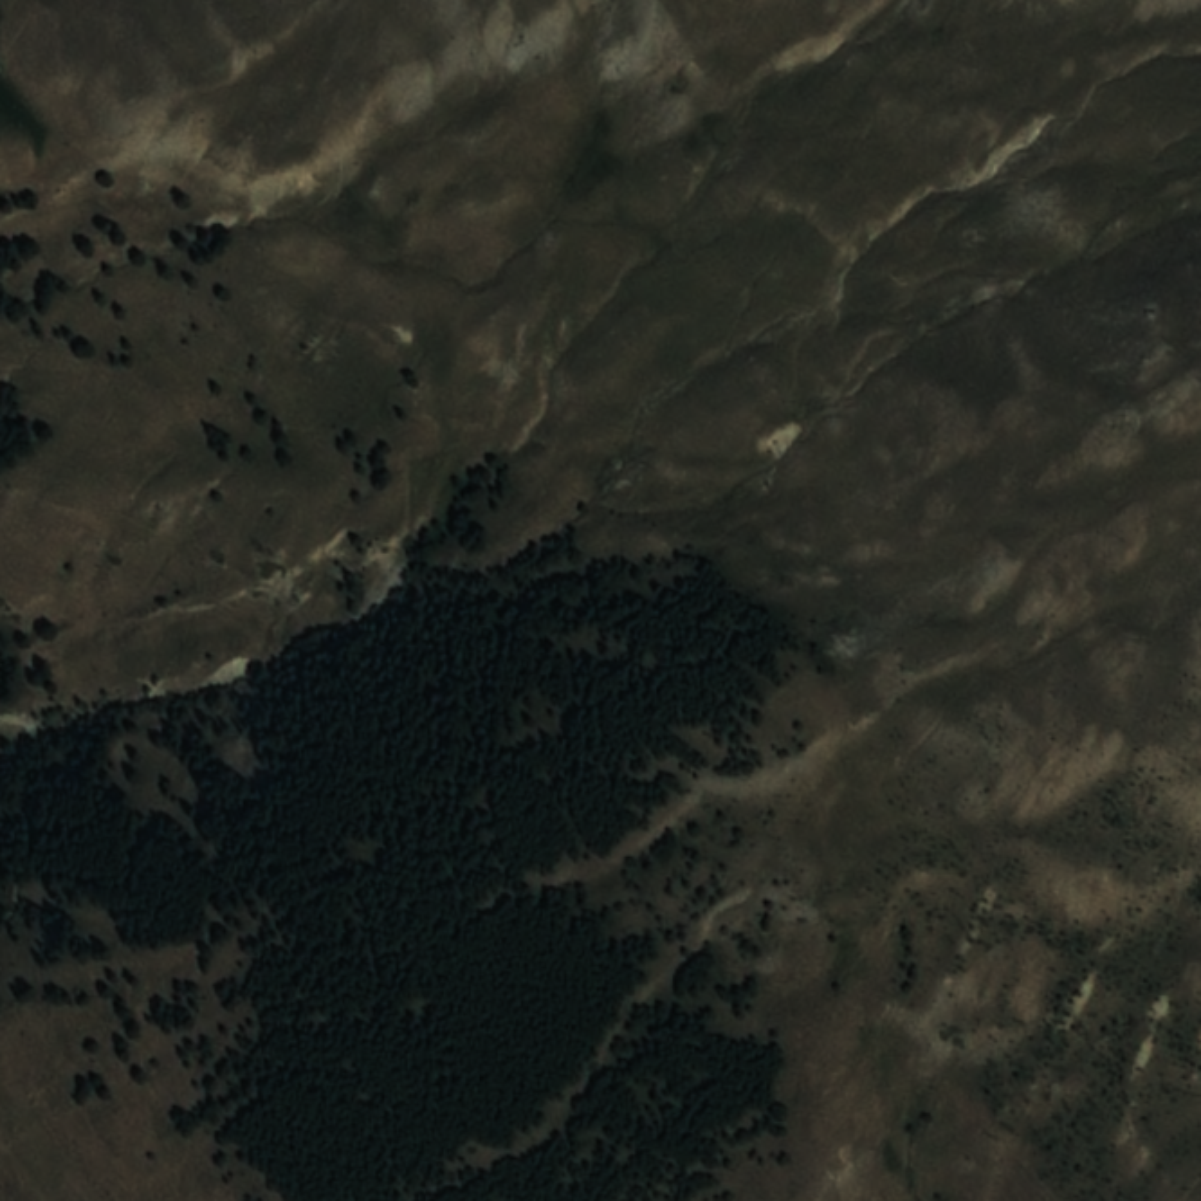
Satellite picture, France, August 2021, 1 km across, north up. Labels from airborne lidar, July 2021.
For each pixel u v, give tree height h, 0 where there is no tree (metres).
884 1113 0
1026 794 0
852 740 0
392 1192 13
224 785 16
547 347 0
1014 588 0
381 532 0
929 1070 0
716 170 0
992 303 0
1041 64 0
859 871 0
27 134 0
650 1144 13
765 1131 11
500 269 0
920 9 0
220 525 0
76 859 26
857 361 0
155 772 0
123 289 0
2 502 0
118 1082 0
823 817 0
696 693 10
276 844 18
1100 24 0
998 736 0
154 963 0
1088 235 0
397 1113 12
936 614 0
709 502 0
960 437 0
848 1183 0
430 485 0
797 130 0
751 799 0
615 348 0
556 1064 16
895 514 0
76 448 0
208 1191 0
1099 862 0
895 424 0
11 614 0
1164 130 0
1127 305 0
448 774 19
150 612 0
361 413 0
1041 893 0
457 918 15
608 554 0
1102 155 0
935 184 0
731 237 0
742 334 0
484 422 0
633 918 0
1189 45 0
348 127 0
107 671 0
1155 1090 0
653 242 0
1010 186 0
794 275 0
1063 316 0
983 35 0
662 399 0
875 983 0
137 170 0
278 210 0
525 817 11
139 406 0
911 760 0
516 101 0
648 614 17
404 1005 16
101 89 0
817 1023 0
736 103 0
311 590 0
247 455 12
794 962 0
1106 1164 0
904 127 0
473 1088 16
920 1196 0
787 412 0
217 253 14
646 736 11
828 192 0
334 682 19
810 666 0
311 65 0
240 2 0
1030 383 0
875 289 0
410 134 0
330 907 18
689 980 16
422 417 0
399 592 12
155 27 0
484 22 0
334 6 0
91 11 0
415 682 18
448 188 0
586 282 0
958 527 0
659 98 0
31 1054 0
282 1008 10
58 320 0
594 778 12
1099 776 0
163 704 15
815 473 0
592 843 9
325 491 0
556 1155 14
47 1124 0
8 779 25
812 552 0
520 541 0
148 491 0
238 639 0
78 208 0
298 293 0
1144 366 0
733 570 0
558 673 16
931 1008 0
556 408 0
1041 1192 0
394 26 0
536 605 15
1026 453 0
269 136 0
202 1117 12
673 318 0
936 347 0
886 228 0
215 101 0
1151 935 0
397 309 0
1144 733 0
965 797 0
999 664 0
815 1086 0
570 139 0
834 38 0
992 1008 0
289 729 11
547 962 18
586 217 0
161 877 22
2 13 0
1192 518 0
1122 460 0
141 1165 0
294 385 0
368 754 18
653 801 10
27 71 0
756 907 0
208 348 0
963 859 0
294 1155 16
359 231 0
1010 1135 0
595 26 0
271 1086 16
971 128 0
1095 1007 0
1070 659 0
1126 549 0
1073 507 0
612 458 0
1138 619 0
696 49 0
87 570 0
